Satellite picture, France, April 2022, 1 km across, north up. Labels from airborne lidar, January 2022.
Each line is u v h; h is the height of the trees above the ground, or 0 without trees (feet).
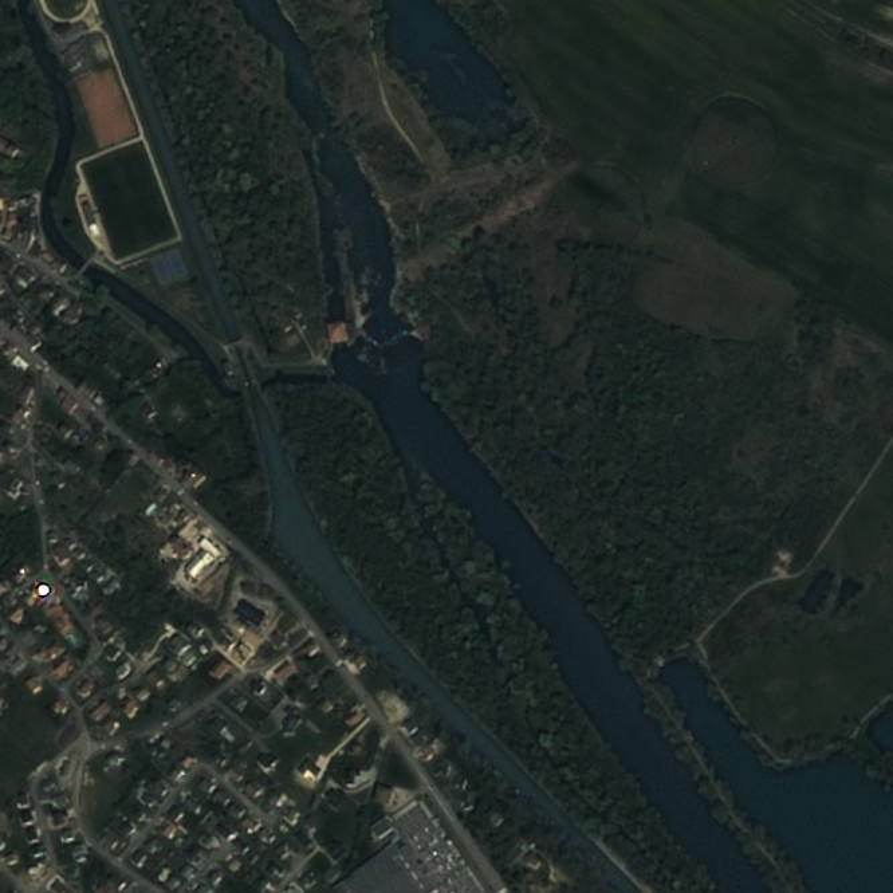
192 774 0
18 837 0
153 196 0
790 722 0
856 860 0
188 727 0
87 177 0
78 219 0
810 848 0
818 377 0
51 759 0
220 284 0
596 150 0
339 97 33
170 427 0
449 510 39
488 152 26
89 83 0
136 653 0
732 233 0
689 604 66
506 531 0
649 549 56
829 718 0
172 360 0
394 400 0
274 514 0
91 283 0
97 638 0
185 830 0
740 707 46
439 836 0
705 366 0
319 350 0
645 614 28
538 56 0
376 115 0
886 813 0
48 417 0
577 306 60
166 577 0
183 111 53
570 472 73
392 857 0
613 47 0
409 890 0
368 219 0
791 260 0
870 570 0
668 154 0
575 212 0
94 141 0
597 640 0
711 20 0
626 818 71
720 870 0
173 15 50
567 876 40
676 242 0
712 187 0
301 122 0
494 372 41
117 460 26
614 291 55
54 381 0
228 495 53
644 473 46
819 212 0
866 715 0
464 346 23
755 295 0
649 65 0
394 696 0
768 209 0
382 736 0
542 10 0
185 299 0
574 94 0
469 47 0
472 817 19
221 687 0
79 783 0
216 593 0
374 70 0
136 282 0
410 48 0
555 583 0
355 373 0
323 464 74
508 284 64
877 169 0
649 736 0
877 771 68
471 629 41
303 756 0
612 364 49
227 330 0
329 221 0
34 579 0
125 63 0
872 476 0
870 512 0
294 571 52
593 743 43
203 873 0
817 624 0
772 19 0
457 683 64
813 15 0
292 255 53
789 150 0
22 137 0
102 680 21
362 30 0
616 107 0
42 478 0
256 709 0
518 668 48
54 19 0
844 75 0
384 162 0
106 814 0
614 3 0
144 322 0
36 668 0
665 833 38
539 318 29
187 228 0
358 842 33
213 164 44
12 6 45
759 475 0
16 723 0
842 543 0
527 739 67
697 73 0
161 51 41
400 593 62
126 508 0
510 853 37
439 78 0
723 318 0
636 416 40
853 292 0
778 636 0
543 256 0
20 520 26
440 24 0
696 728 0
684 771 0
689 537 60
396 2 0
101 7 0
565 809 60
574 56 0
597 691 0
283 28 0
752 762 0
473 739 0
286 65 0
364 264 0
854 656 0
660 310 0
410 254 27
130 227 0
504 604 43
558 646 0
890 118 0
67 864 0
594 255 50
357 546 64
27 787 0
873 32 0
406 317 20
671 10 0
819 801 0
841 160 0
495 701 85
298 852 0
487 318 62
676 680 0
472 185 0
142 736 0
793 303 0
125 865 0
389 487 51
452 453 0
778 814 0
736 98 0
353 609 0
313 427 70
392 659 0
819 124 0
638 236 0
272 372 0
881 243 0
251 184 24
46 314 32
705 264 0
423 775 0
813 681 0
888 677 0
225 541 0
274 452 0
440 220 36
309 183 38
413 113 0
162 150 0
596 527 64
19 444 0
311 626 0
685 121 0
